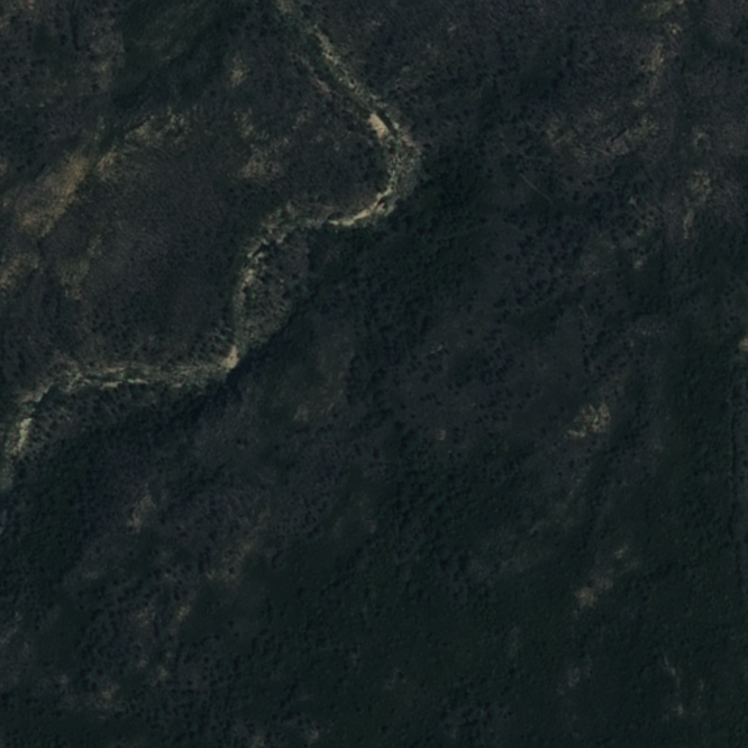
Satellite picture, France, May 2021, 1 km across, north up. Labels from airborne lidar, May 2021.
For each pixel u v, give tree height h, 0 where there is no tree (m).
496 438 19
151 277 23
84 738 6
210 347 17
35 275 19
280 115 15
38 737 8
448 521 16
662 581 15
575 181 17
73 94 7
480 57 19
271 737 18
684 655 7
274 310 10
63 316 21
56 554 7
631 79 20
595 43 11
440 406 14
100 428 7
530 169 12
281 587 6
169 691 21
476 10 23
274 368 7
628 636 13
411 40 17
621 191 19
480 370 9
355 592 9
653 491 8
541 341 6
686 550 10
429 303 27
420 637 8
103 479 25
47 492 12
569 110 23
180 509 21
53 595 6
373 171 16
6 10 16
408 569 25
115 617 19
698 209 11
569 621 6
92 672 14
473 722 8
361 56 19
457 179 9
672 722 6
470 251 16
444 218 21
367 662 6
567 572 7
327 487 19
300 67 23
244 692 8
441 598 7
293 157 18
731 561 7
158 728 20
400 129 0
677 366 7
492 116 12
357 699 6
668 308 6
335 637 9
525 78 6
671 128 19
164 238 23
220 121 15
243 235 25
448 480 8
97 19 18
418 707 8
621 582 8
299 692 17
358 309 23
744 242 9
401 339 20
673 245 19
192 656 18
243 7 8
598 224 17
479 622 14
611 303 10
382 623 6
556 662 10
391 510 12
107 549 6
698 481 10
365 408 7
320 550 6
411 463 24
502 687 6
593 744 6
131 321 15
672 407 6
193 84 7
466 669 7
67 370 18
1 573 6
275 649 8
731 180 25
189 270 24
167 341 14
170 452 26
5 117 16
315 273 21
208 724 18
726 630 18
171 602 17
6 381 20
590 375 17
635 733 7
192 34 7
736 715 8
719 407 6
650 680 8
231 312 26
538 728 8
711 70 19
